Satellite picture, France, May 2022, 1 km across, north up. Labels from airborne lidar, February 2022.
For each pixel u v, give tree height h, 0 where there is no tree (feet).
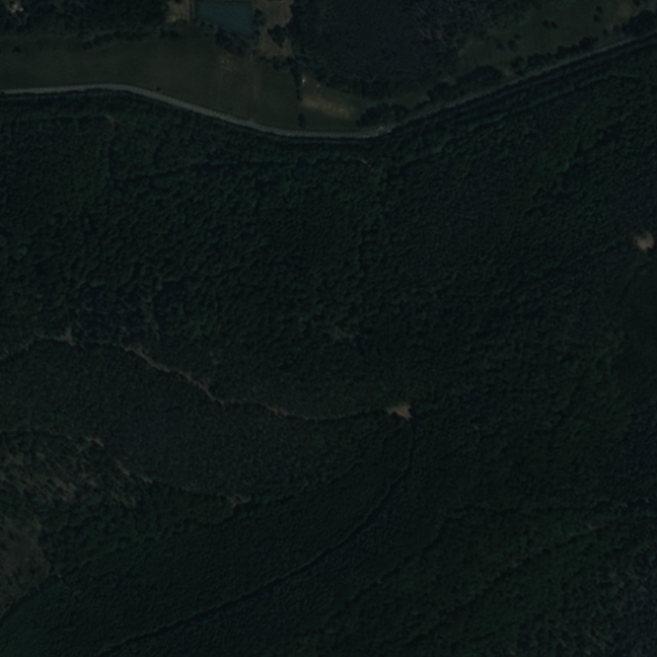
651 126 0
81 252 107
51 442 96
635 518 80
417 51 57
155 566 0
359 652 119
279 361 73
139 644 77
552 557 85
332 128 0
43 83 0
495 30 67
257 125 0
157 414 62
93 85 0
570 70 39
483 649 79
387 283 95
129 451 65
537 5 93
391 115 68
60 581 60
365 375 69
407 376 72
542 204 113
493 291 84
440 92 83
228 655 74
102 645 75
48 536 62
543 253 86
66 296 113
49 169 77
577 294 78
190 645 75
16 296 100
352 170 88
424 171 0
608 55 32
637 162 96
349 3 60
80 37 56
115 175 87
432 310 99
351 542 42
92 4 61
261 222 88
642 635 87
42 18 66
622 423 62
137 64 0
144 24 70
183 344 71
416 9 45
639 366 49
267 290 95
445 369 74
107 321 109
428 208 86
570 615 67
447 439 70
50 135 87
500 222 93
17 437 81
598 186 0
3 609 69
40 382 72
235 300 94
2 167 113
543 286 97
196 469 86
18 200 73
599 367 99
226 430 71
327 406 52
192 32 0
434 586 106
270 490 99
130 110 77
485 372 80
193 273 106
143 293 119
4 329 72
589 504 43
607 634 99
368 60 62
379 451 70
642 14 0
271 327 86
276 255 83
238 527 64
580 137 104
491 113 86
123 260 107
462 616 112
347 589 0
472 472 65
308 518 0
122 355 73
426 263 71
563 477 56
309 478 114
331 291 103
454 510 92
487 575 71
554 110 85
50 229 113
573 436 80
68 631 79
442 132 102
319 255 85
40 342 70
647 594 87
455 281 81
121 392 66
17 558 0
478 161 86
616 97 109
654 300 63
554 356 65
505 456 59
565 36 0
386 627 104
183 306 102
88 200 100
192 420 79
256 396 61
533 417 82
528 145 73
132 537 97
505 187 75
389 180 105
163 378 78
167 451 72
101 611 76
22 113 98
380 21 57
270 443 77
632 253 73
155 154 0
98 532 114
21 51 52
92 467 79
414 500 78
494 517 100
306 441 76
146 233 89
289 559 72
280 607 66
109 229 109
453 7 106
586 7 0
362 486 0
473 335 77
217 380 77
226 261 98
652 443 58
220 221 105
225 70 0
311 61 58
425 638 113
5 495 87
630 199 85
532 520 86
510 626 94
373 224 105
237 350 76
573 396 65
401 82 82
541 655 100
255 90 0
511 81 0
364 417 75
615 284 55
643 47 39
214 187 114
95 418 82
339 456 89
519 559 94
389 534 72
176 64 0
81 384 66
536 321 56
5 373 76
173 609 76
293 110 0
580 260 85
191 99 0
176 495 98
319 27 59
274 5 0
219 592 79
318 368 85
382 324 101
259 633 74
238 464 92
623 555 120
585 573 96
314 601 67
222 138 66
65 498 92
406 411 0
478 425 65
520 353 77
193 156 88
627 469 67
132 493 93
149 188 94
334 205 88
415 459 73
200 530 66
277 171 94
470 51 0
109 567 68
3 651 0
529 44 0
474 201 59
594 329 69
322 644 82
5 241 109
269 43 0
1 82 0
